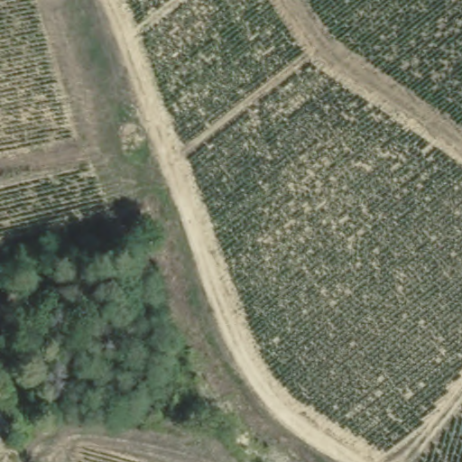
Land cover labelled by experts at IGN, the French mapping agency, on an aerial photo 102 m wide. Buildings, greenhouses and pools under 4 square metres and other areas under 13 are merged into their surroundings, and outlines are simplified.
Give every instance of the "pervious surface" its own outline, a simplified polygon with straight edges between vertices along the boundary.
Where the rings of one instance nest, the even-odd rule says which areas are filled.
[[[271,374],[269,366],[263,363],[253,332],[245,319],[244,303],[236,292],[235,283],[227,273],[222,247],[218,245],[213,222],[206,204],[202,202],[200,189],[197,188],[191,164],[186,157],[182,153],[182,141],[173,128],[173,119],[162,103],[161,92],[157,88],[150,61],[144,52],[141,34],[137,31],[135,23],[134,13],[126,4],[126,0],[99,0],[108,16],[117,47],[121,52],[121,61],[128,70],[130,85],[134,88],[135,97],[139,101],[135,114],[143,121],[144,128],[150,134],[152,152],[157,155],[162,175],[170,188],[171,199],[179,209],[182,224],[188,235],[189,247],[197,262],[200,282],[215,312],[220,334],[235,357],[238,372],[262,399],[265,408],[271,411],[274,419],[280,420],[287,430],[305,440],[312,448],[318,449],[319,453],[334,458],[336,462],[384,462],[383,451],[370,446],[365,439],[356,437],[352,431],[341,428],[337,422],[328,420],[312,406],[296,401],[289,390]]]

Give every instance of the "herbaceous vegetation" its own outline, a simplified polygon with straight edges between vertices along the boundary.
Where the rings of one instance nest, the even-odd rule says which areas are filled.
[[[401,442],[393,444],[392,448],[383,451],[384,462],[417,462],[422,453],[428,453],[431,440],[439,437],[440,431],[448,426],[451,417],[458,415],[462,408],[462,372],[457,381],[448,384],[446,395],[440,397],[433,411],[424,417],[419,428],[408,433]]]
[[[22,462],[18,449],[7,448],[0,440],[0,462]]]
[[[177,5],[186,0],[166,0],[159,9],[150,9],[141,22],[135,23],[137,31],[141,34],[150,29],[153,23],[161,22],[164,16],[168,16]]]
[[[462,125],[457,125],[449,114],[442,114],[430,103],[420,99],[410,88],[402,87],[399,81],[381,72],[381,69],[374,67],[372,63],[368,63],[363,56],[346,49],[343,43],[336,40],[334,34],[328,32],[327,25],[319,20],[318,14],[312,11],[309,0],[269,0],[274,5],[274,11],[296,38],[296,43],[301,49],[300,56],[278,74],[267,79],[245,99],[238,101],[226,114],[220,115],[215,123],[206,125],[206,128],[191,141],[182,141],[182,153],[186,157],[200,143],[204,143],[222,126],[227,125],[233,117],[244,112],[247,106],[258,103],[258,99],[271,92],[282,79],[294,72],[300,72],[301,65],[310,61],[316,65],[316,69],[323,70],[330,78],[339,81],[352,94],[366,99],[368,105],[379,106],[392,117],[392,121],[402,125],[404,130],[420,135],[426,141],[422,153],[439,148],[462,166]]]
[[[63,424],[61,430],[34,428],[34,440],[25,446],[25,451],[31,453],[34,462],[81,462],[83,448],[96,449],[132,462],[238,462],[235,457],[229,455],[226,448],[222,448],[220,442],[206,433],[184,430],[179,422],[171,422],[162,413],[144,413],[143,419],[135,428],[121,433],[119,437],[110,437],[105,426],[94,424]]]
[[[99,0],[32,0],[32,4],[36,5],[36,18],[45,38],[47,60],[54,78],[52,92],[63,106],[63,117],[74,117],[74,123],[78,126],[78,137],[74,139],[70,135],[69,139],[61,139],[63,144],[42,152],[31,153],[29,148],[0,152],[0,179],[27,171],[42,170],[51,170],[58,177],[61,173],[76,170],[79,162],[85,162],[87,166],[96,166],[96,175],[92,179],[96,180],[97,195],[101,200],[114,202],[115,199],[123,197],[135,200],[141,206],[141,213],[150,215],[150,218],[157,222],[157,226],[166,229],[166,249],[153,254],[153,260],[159,263],[159,269],[164,274],[171,319],[182,330],[186,345],[189,345],[188,361],[191,370],[197,374],[197,390],[200,395],[213,399],[215,406],[224,413],[238,413],[235,417],[235,433],[236,442],[245,446],[245,455],[262,458],[263,462],[336,462],[334,458],[319,453],[318,449],[312,448],[305,440],[287,430],[280,420],[274,419],[271,411],[265,408],[262,399],[238,372],[235,357],[220,334],[215,312],[200,282],[197,262],[189,247],[188,235],[182,224],[179,209],[171,199],[170,188],[162,175],[157,155],[152,152],[150,134],[144,128],[143,121],[135,114],[139,101],[135,97],[134,88],[130,85],[128,70],[121,61],[121,52],[117,47],[108,16]]]

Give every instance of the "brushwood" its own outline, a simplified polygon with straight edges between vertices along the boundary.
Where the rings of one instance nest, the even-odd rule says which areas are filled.
[[[238,462],[263,462],[262,458],[245,455],[245,446],[236,442],[235,433],[231,431],[220,442],[222,448],[226,448],[229,455],[235,457]]]

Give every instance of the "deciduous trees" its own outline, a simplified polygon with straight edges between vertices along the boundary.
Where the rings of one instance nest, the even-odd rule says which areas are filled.
[[[110,437],[119,437],[121,433],[135,428],[143,419],[144,413],[162,413],[171,422],[179,422],[184,430],[206,433],[220,442],[231,431],[235,433],[235,417],[238,413],[224,413],[215,406],[213,399],[200,395],[197,390],[197,374],[191,370],[188,361],[189,345],[186,345],[182,330],[171,319],[164,274],[159,269],[159,263],[153,260],[153,254],[166,249],[166,229],[157,226],[157,222],[150,218],[150,215],[141,213],[141,206],[135,200],[123,197],[115,199],[114,202],[101,200],[94,208],[88,208],[88,202],[81,202],[81,209],[72,209],[65,204],[65,208],[52,211],[49,215],[32,218],[29,224],[9,226],[0,242],[0,440],[7,448],[18,449],[22,462],[34,462],[31,453],[25,451],[25,446],[34,440],[34,428],[61,430],[63,424],[94,424],[105,426]]]

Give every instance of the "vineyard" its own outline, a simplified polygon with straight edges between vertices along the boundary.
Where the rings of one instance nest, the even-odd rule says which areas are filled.
[[[420,99],[430,103],[442,114],[449,114],[457,125],[462,125],[462,0],[309,0],[312,11],[318,14],[319,20],[327,25],[328,32],[334,34],[336,40],[343,43],[346,49],[363,56],[368,63],[372,63],[374,67],[381,69],[381,72],[399,81],[402,87],[410,88]]]
[[[296,43],[296,38],[274,11],[274,5],[269,0],[186,0],[177,5],[168,16],[164,16],[161,22],[153,23],[150,29],[141,34],[144,52],[150,61],[157,88],[161,92],[162,103],[173,119],[173,128],[182,141],[191,141],[206,128],[206,125],[215,123],[220,115],[226,114],[238,101],[245,99],[267,79],[278,74],[300,56],[301,49]]]
[[[72,209],[81,209],[81,202],[88,202],[88,208],[94,208],[101,200],[97,195],[96,180],[92,179],[96,175],[96,166],[87,166],[85,162],[79,162],[76,170],[61,173],[58,177],[51,170],[42,170],[27,171],[0,179],[0,242],[9,226],[29,224],[32,218],[49,215],[52,211],[65,208],[65,204]]]
[[[31,153],[42,152],[63,144],[61,139],[69,139],[70,135],[74,139],[78,137],[78,126],[74,123],[74,117],[63,117],[63,106],[52,92],[54,78],[47,60],[45,38],[36,18],[36,5],[32,4],[32,0],[0,0],[0,152],[29,148]]]
[[[96,449],[83,448],[81,462],[132,462]]]
[[[159,9],[166,0],[126,0],[126,4],[134,13],[135,23],[141,22],[150,9]]]
[[[422,453],[417,462],[462,462],[462,408],[458,415],[451,417],[448,426],[440,431],[439,437],[431,440],[428,453]]]
[[[368,105],[366,99],[352,94],[339,81],[330,78],[323,70],[316,69],[316,65],[310,61],[301,65],[300,72],[294,72],[282,79],[271,92],[258,99],[258,103],[247,106],[244,112],[233,117],[227,125],[222,126],[204,143],[200,143],[186,157],[191,164],[197,188],[200,189],[202,202],[206,204],[213,222],[218,245],[222,247],[227,273],[235,283],[236,292],[244,303],[245,319],[253,332],[263,363],[269,366],[271,374],[289,390],[296,401],[312,406],[328,420],[337,422],[341,428],[352,431],[356,437],[365,439],[370,446],[383,451],[392,448],[393,444],[401,442],[408,433],[419,428],[424,417],[433,411],[440,397],[446,395],[448,384],[457,381],[462,372],[462,166],[439,148],[422,153],[426,141],[420,135],[404,130],[402,125],[392,121],[392,117],[379,106]]]

